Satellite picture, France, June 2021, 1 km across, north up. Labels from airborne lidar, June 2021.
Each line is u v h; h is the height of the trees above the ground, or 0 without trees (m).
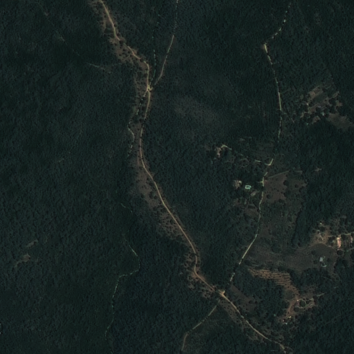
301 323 14
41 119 14
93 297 13
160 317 16
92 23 9
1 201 17
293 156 9
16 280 14
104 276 11
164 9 14
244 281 14
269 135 8
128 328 8
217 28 7
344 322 19
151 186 12
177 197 7
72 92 18
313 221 14
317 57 14
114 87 13
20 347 8
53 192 19
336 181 18
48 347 6
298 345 18
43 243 14
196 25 13
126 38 7
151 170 13
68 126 14
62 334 9
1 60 17
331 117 0
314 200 19
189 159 11
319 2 7
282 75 16
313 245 0
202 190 12
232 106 7
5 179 10
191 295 14
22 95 12
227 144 7
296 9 15
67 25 18
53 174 17
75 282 8
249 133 7
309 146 17
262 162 12
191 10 11
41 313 7
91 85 11
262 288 18
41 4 10
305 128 17
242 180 14
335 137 15
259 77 9
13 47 14
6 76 21
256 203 12
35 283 17
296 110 6
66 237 18
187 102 8
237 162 18
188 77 6
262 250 0
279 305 18
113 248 13
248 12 12
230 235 9
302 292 9
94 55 13
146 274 8
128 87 15
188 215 7
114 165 10
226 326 8
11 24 11
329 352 16
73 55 13
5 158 16
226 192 15
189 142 11
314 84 18
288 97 13
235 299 13
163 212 7
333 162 10
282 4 8
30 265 7
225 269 12
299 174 8
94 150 15
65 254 22
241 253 8
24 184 20
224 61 15
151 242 10
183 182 11
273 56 11
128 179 15
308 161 11
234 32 8
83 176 10
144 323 7
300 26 6
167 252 10
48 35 15
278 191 6
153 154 14
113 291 6
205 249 6
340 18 6
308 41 18
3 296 7
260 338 9
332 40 6
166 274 7
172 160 15
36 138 13
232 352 17
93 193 17
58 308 17
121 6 13
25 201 9
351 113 9
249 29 10
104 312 7
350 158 17
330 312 16
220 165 17
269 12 13
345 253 8
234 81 8
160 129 8
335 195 11
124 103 10
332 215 17
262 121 11
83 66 12
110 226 12
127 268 6
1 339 9
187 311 16
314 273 15
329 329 16
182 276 8
